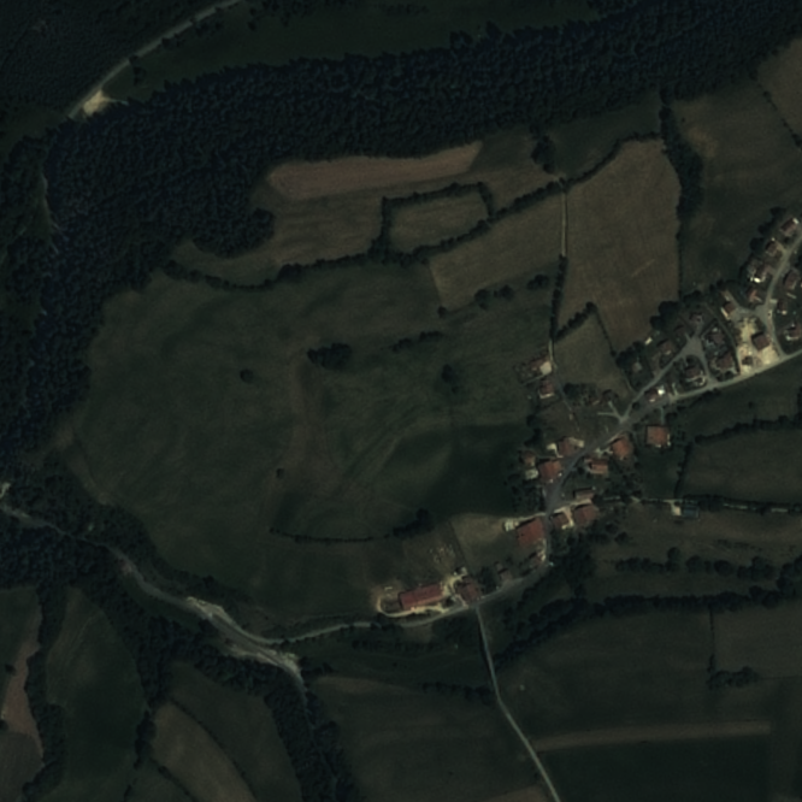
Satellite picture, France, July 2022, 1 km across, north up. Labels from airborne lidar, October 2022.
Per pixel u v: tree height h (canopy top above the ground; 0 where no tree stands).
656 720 0
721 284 11
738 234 0
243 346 0
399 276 0
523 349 0
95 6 13
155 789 0
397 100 24
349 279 0
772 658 0
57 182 36
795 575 22
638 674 0
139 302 0
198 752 0
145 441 0
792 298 0
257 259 0
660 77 15
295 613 0
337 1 18
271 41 0
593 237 0
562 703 0
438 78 25
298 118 23
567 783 0
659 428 0
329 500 0
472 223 0
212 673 22
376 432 0
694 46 18
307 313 0
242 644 0
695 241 0
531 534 0
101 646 0
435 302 0
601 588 0
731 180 0
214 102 26
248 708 0
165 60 0
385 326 0
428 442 0
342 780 19
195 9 11
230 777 0
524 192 0
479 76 28
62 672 0
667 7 18
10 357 22
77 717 0
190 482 0
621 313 0
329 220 0
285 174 0
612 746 0
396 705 0
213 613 0
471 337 0
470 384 0
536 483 7
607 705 0
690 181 25
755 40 17
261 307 0
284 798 0
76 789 0
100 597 8
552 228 0
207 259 0
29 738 0
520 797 0
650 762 0
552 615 23
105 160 17
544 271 0
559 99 21
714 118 0
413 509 0
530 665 0
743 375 0
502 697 0
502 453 0
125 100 0
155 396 0
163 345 0
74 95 25
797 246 0
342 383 0
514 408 0
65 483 9
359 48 0
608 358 0
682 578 0
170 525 0
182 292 0
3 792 0
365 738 0
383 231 7
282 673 20
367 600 0
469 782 0
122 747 0
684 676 0
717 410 0
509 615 17
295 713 21
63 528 15
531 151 0
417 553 0
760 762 0
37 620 0
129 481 0
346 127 24
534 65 26
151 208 20
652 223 0
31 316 0
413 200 8
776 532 0
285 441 0
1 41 18
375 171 0
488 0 0
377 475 0
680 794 0
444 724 0
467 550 0
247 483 0
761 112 0
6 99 18
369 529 0
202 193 25
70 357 23
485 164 0
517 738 0
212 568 0
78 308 27
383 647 12
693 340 0
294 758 13
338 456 0
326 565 0
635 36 21
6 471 17
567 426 0
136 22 24
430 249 14
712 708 0
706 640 0
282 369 0
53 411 14
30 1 22
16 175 25
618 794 0
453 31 0
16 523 19
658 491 0
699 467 0
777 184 0
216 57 0
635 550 0
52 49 21
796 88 0
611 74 12
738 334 0
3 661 0
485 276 0
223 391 0
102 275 24
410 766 0
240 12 0
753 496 0
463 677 0
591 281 0
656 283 0
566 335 10
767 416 0
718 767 0
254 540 0
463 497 0
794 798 0
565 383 0
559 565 8
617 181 0
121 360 0
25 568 28
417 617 7
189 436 0
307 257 0
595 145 0
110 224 25
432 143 16
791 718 0
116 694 0
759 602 9
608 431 0
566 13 0
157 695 10
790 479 0
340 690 0
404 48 0
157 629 16
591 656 0
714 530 0
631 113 0
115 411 0
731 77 29
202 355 0
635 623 0
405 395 0
